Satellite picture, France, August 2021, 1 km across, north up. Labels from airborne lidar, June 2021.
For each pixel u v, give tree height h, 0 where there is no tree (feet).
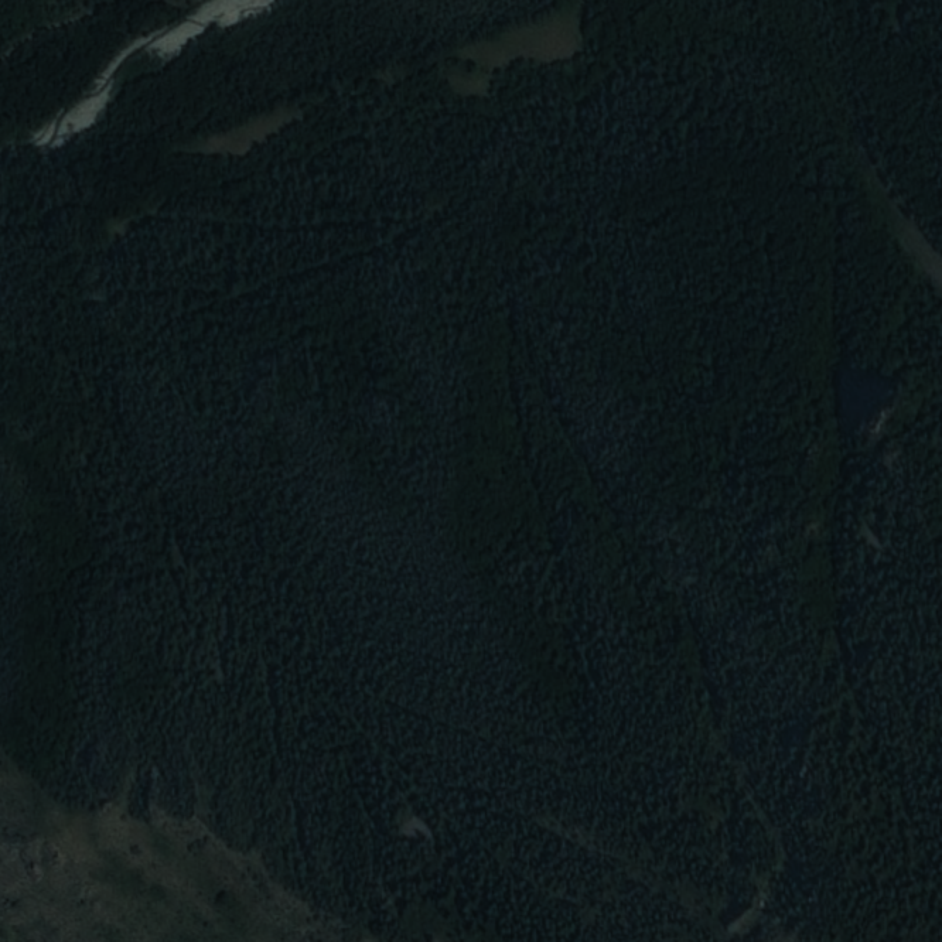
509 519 71
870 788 62
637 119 60
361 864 75
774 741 28
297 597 65
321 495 43
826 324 56
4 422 44
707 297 50
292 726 59
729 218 67
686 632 46
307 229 62
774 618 53
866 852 31
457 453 43
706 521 69
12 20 49
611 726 71
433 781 43
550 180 60
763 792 27
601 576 56
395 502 49
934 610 69
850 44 63
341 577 69
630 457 47
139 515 62
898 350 64
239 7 0
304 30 42
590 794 29
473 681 37
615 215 57
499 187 66
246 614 69
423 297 59
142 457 49
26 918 20
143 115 51
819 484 40
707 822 22
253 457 59
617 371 60
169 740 40
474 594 43
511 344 51
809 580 26
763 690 27
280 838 34
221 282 47
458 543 49
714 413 59
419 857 41
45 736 41
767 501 42
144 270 57
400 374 58
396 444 48
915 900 64
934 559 34
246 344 46
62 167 72
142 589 68
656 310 52
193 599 46
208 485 59
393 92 34
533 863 38
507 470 68
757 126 41
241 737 50
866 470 52
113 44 58
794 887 37
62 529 75
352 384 69
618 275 72
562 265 29
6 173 54
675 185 63
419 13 31
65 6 28
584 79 52
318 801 42
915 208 37
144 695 54
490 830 59
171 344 42
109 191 72
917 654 61
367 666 63
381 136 30
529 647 59
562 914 51
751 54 49
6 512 30
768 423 43
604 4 50
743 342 53
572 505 55
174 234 56
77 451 66
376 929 30
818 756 28
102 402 65
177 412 52
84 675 70
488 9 39
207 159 51
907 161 64
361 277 68
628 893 22
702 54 41
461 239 47
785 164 68
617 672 55
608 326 65
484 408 62
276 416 42
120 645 55
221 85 50
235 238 26
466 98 22
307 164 32
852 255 46
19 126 28
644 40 23
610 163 50
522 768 32
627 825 39
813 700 25
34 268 81
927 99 66
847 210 55
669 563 31
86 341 70
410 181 65
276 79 49
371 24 54
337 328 66
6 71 57
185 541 72
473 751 45
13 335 40
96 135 47
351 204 60
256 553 46
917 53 47
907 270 60
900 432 25
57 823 0
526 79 31
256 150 34
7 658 33
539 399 63
